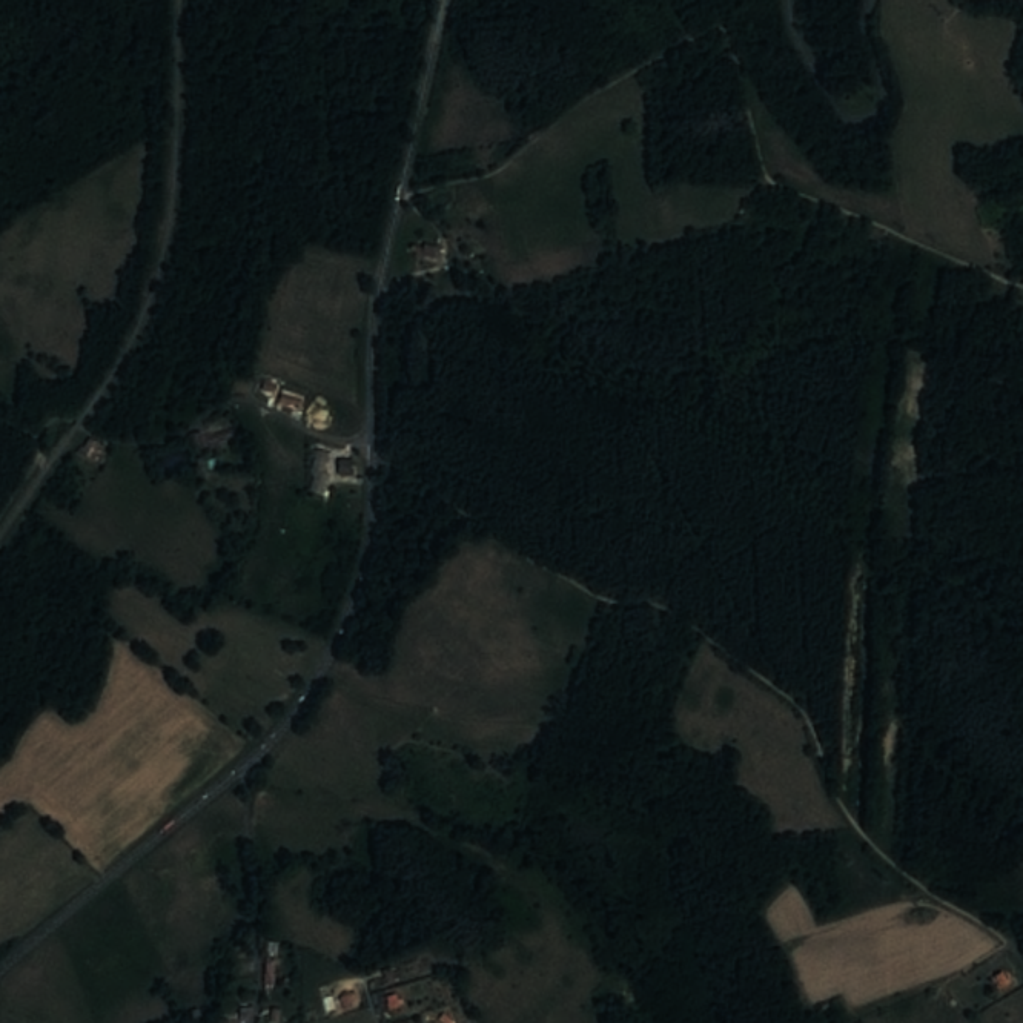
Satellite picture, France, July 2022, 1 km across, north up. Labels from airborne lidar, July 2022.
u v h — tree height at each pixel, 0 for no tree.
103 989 0
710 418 25
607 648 16
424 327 22
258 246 22
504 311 21
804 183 0
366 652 20
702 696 0
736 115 20
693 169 14
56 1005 0
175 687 19
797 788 0
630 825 6
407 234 0
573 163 0
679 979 7
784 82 24
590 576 11
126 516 0
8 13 10
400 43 20
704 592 16
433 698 0
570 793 6
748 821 14
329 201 16
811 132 21
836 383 18
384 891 19
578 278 7
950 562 21
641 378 20
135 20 9
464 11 8
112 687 0
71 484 6
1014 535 18
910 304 12
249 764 0
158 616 0
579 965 0
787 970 9
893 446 12
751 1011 20
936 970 0
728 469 21
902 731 7
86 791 0
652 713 17
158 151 16
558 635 0
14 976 0
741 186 14
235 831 0
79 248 0
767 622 22
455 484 15
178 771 0
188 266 10
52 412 19
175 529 0
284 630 0
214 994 13
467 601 0
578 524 14
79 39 23
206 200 11
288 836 0
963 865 16
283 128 20
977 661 24
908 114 0
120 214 0
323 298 0
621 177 0
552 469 18
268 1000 9
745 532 20
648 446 21
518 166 0
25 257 0
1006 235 9
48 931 0
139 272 21
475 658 0
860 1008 0
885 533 18
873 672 17
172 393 9
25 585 15
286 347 0
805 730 6
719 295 14
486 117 0
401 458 17
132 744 0
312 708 17
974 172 15
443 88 0
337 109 16
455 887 28
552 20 18
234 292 21
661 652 16
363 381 0
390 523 20
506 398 19
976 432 17
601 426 17
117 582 21
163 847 0
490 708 0
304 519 0
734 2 16
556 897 0
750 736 0
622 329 18
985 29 0
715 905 18
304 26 20
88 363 18
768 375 16
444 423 19
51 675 15
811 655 17
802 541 21
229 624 0
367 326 0
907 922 0
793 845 16
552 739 23
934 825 26
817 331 26
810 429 17
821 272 13
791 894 0
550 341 19
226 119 15
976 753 26
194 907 0
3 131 20
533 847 21
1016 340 22
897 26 0
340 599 7
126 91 12
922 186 0
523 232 0
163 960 0
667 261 12
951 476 19
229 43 18
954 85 0
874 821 10
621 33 6
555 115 13
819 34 23
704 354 10
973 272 15
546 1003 0
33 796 0
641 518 13
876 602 24
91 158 10
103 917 0
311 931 0
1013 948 0
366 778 0
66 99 11
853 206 0
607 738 22
